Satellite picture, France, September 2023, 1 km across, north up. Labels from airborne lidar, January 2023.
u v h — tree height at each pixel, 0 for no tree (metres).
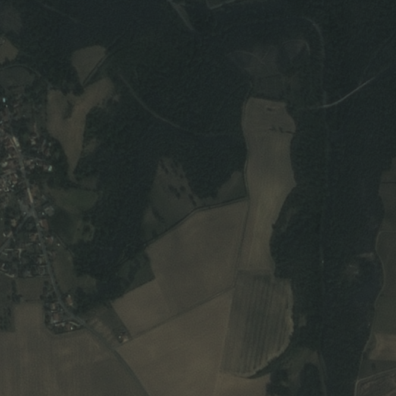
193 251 0
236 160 9
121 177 19
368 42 17
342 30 27
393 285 0
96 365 0
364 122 14
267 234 0
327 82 29
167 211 0
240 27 7
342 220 20
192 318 0
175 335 0
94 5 25
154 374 0
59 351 0
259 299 0
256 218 0
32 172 7
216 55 21
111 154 28
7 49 0
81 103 0
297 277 8
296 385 0
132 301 0
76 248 15
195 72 20
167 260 0
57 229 0
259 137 0
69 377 0
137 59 15
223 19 19
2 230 0
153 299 0
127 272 0
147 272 0
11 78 0
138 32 14
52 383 0
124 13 25
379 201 9
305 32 15
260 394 0
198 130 18
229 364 0
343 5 16
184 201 0
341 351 22
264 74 0
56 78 0
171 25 16
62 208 0
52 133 0
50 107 0
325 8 27
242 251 0
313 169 17
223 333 0
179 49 23
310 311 16
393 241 0
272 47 0
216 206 0
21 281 0
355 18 9
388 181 0
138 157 18
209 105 18
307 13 20
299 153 11
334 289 15
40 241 0
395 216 0
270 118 0
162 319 0
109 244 18
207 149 31
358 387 0
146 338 0
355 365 7
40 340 0
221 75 13
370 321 0
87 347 0
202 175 24
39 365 0
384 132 14
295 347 6
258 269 0
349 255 11
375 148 11
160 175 0
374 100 14
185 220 0
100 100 0
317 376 9
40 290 0
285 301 0
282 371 9
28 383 0
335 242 10
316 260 16
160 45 11
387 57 14
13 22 0
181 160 11
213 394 0
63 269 0
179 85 16
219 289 0
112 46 11
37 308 0
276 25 20
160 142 15
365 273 16
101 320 0
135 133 15
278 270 6
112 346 0
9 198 0
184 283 0
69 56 10
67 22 20
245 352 0
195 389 0
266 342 0
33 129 0
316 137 15
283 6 23
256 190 0
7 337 0
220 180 14
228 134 10
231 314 0
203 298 0
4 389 0
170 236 0
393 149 12
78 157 0
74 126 0
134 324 0
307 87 14
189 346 0
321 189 24
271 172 0
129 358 0
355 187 9
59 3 20
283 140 0
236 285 0
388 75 20
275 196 0
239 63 12
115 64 6
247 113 0
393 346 0
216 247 0
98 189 7
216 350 0
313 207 16
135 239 18
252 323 0
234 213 0
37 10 23
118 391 0
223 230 0
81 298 9
